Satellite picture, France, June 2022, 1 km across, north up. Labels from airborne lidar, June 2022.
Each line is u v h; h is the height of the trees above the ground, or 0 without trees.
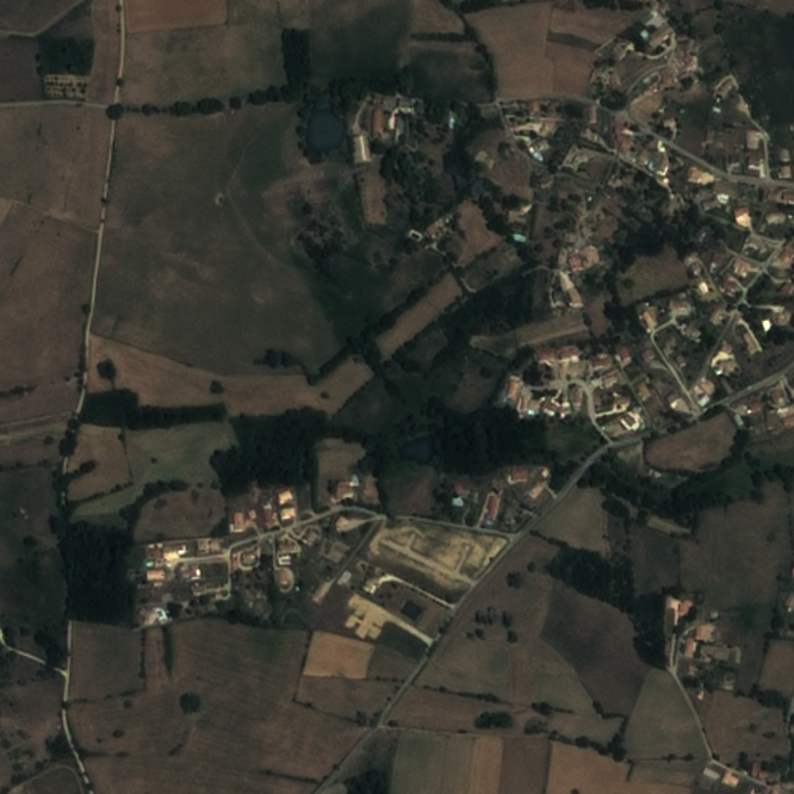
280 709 0
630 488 9
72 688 0
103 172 0
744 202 0
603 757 11
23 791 0
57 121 0
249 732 0
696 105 0
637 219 12
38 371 0
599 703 9
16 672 0
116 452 0
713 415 14
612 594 7
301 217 0
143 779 0
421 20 0
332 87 9
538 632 0
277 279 0
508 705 0
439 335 0
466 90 0
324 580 0
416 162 9
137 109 7
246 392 0
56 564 0
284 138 0
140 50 0
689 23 10
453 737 0
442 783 0
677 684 0
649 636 9
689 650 0
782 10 0
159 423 13
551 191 0
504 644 0
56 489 10
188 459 0
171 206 0
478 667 0
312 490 7
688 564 0
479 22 0
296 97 20
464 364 0
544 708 11
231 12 0
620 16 0
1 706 0
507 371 12
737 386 8
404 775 0
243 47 0
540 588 0
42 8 0
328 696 0
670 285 0
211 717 0
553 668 0
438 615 0
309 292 0
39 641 15
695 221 12
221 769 0
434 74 0
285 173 0
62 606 0
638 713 0
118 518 0
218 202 0
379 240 0
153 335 0
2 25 0
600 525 0
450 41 7
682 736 0
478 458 19
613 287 12
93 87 0
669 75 0
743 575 0
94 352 0
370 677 0
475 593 0
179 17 0
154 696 0
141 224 0
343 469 0
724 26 8
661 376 0
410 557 0
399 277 0
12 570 0
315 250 11
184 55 0
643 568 0
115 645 0
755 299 7
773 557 0
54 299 0
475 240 0
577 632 0
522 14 0
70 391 0
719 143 0
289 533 0
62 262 0
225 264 0
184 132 0
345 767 0
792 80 0
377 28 0
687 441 0
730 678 0
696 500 16
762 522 0
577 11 0
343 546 0
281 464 13
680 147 0
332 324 0
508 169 0
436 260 0
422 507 0
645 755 0
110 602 28
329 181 0
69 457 9
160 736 0
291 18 0
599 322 0
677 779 0
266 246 0
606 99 7
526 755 0
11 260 0
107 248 0
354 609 0
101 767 0
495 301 14
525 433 11
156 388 0
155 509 0
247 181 0
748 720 0
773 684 0
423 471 0
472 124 9
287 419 9
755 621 0
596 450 10
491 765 0
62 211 0
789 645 0
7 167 0
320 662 0
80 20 0
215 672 0
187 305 0
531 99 0
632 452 0
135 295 0
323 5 0
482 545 0
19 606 0
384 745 0
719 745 0
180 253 0
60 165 0
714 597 0
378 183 0
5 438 0
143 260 0
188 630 0
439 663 0
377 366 24
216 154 0
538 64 0
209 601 9
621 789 0
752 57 0
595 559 11
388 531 0
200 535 0
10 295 0
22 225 0
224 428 0
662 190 8
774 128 0
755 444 0
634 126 12
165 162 0
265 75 0
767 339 8
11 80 0
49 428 0
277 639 0
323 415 7
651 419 0
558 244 10
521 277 6
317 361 0
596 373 6
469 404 0
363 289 0
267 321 0
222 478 11
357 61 0
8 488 0
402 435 7
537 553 0
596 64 7
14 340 0
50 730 0
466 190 13
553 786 0
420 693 0
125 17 0
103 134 0
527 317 8
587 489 12
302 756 0
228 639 0
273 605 8
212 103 16
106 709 0
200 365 0
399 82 13
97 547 18
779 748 0
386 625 0
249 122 0
